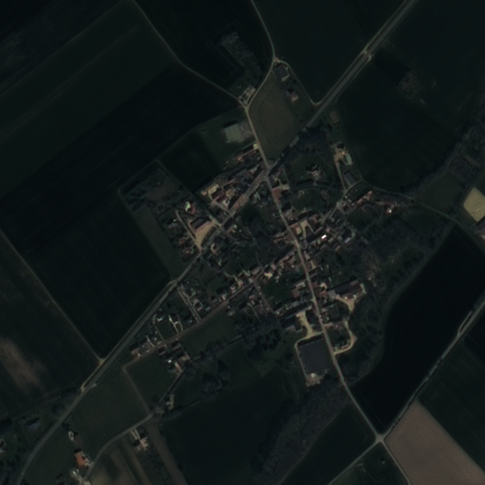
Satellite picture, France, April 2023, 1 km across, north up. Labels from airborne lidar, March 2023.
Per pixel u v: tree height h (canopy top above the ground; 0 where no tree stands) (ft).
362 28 0
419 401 0
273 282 0
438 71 0
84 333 0
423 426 0
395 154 0
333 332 0
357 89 0
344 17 0
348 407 0
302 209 0
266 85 0
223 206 0
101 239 0
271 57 0
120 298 0
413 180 0
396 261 0
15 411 0
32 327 0
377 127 0
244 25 0
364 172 0
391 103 0
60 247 0
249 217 0
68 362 0
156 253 0
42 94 0
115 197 0
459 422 0
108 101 0
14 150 0
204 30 0
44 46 0
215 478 0
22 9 0
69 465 0
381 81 0
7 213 0
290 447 124
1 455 0
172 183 0
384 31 0
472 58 0
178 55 0
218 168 0
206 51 0
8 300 0
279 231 0
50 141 0
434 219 0
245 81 0
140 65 0
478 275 0
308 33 0
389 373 0
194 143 0
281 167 0
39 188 0
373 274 0
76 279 0
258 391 0
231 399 0
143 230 0
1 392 0
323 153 43
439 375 0
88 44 0
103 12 0
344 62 0
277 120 0
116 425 0
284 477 101
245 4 0
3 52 0
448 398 0
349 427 0
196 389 0
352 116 0
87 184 0
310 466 0
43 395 0
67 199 0
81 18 0
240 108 0
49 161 0
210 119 0
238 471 0
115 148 0
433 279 0
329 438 0
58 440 0
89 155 0
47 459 0
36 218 0
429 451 0
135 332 0
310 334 0
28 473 0
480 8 0
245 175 0
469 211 0
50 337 0
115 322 0
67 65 0
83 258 0
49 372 0
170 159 0
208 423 0
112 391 0
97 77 0
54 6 0
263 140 0
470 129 48
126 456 0
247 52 51
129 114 0
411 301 0
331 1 0
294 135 0
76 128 0
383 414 0
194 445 0
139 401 0
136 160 0
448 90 0
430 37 0
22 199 0
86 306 0
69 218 0
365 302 76
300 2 0
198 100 0
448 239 0
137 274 0
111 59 0
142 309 0
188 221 0
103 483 0
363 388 0
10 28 0
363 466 0
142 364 0
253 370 0
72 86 0
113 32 0
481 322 0
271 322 70
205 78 0
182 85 0
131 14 0
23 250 0
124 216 0
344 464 0
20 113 0
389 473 0
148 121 0
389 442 0
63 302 0
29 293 0
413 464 0
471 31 0
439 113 0
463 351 0
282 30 0
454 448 0
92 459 0
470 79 0
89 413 0
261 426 0
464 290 0
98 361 0
